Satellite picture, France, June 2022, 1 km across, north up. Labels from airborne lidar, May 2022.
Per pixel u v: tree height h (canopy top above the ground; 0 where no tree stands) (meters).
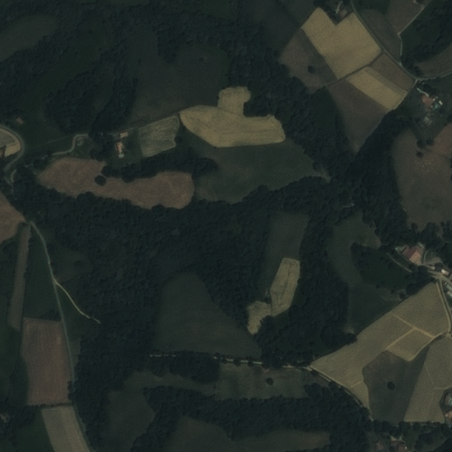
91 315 12
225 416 9
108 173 22
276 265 0
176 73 0
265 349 11
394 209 19
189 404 17
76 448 0
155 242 12
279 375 0
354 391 0
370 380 0
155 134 0
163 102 0
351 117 0
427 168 0
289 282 0
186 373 22
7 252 14
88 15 16
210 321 0
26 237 0
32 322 0
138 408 0
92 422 16
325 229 20
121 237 19
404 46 0
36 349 0
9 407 17
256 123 0
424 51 12
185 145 0
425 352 0
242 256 20
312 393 16
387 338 0
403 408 0
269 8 0
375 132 11
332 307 8
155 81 0
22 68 25
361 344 0
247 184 0
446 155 0
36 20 0
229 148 0
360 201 16
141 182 0
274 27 0
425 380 0
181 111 0
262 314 0
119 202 10
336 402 8
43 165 14
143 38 0
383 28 0
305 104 22
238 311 23
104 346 18
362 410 16
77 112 21
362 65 0
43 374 0
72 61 0
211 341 0
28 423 11
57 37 19
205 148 0
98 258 15
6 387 0
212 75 0
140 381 0
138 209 10
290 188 14
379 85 0
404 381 0
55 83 0
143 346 17
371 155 28
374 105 0
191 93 0
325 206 12
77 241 16
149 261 8
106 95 0
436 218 0
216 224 12
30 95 0
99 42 0
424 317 0
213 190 0
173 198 0
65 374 0
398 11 0
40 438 0
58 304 0
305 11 0
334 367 0
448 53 0
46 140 0
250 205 11
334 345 14
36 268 0
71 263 0
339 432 17
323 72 0
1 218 0
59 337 0
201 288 0
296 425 12
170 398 21
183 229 11
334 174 14
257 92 0
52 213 11
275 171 0
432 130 0
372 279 0
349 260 0
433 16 8
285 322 0
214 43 16
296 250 0
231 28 24
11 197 12
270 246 0
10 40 0
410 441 0
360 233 0
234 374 0
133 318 14
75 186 0
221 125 0
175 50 15
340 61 0
